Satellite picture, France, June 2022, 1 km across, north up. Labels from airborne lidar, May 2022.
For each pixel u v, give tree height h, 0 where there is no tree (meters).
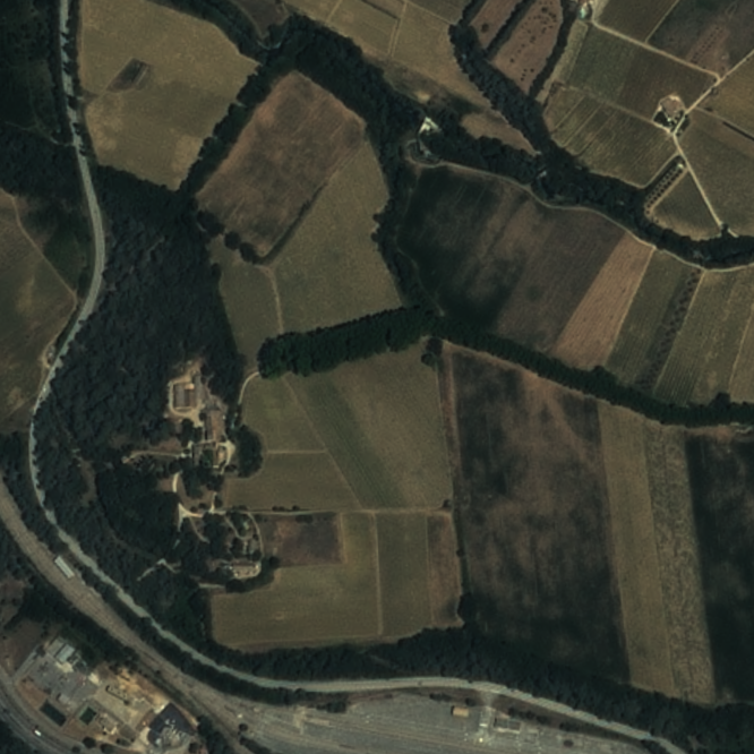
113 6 0
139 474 16
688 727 13
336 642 0
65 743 0
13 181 16
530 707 0
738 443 0
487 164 9
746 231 0
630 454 0
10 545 14
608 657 0
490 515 0
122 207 18
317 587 0
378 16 0
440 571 0
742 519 0
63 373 19
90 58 0
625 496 0
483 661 22
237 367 15
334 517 0
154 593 10
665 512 0
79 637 0
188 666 24
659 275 0
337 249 0
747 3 0
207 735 13
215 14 7
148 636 13
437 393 0
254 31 8
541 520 0
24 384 0
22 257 0
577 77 0
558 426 0
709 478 0
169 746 0
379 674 14
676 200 0
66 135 13
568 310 0
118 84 0
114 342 13
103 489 13
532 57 0
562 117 0
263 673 19
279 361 38
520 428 0
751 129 0
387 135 7
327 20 0
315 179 0
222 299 8
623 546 0
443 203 0
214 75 0
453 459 0
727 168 0
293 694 13
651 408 26
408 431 0
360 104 10
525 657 20
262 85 23
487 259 0
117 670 9
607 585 0
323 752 0
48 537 20
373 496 0
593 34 0
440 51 0
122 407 24
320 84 9
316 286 0
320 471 0
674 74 0
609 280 0
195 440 10
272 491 0
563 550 0
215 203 0
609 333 0
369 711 0
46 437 17
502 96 20
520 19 13
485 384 0
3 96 8
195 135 0
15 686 0
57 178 16
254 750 13
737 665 0
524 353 25
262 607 0
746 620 0
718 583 0
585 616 0
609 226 0
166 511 13
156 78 0
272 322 0
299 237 0
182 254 11
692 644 0
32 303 0
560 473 0
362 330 33
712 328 0
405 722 0
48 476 20
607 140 0
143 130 0
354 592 0
